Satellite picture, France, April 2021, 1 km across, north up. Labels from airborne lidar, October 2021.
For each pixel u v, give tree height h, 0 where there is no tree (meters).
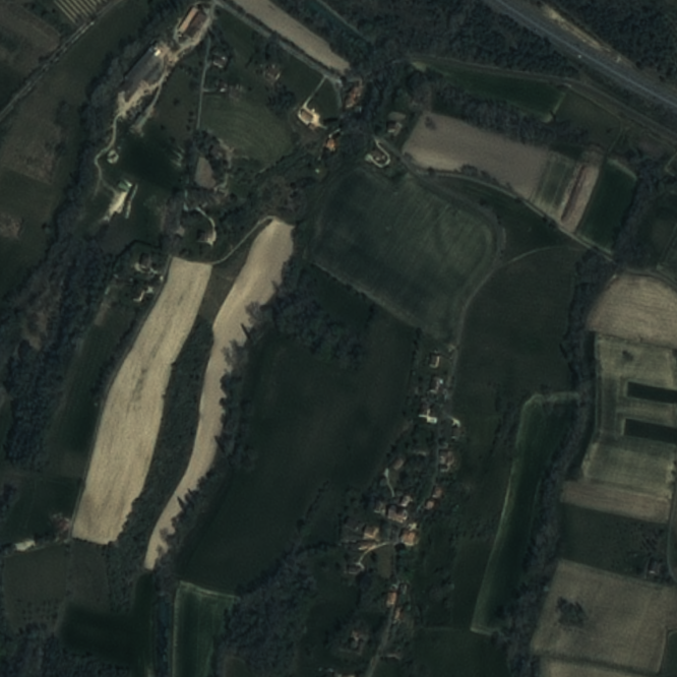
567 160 0
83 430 0
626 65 0
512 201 0
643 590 0
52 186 0
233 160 0
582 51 0
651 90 0
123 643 0
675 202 0
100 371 0
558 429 0
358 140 22
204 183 0
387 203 0
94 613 0
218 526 0
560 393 0
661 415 0
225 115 0
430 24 7
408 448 7
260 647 18
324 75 0
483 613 0
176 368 11
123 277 11
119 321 0
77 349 12
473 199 0
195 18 0
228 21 0
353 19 12
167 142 0
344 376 0
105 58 0
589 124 0
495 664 0
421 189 0
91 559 0
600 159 0
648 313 0
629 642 0
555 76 7
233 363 32
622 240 21
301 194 10
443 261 0
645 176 21
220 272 0
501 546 0
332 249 0
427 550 17
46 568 0
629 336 0
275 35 10
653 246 0
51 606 8
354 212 0
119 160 0
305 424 0
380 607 12
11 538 0
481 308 0
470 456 0
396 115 0
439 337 0
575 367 18
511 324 0
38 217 0
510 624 37
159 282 13
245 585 0
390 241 0
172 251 14
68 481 0
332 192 0
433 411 7
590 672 0
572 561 0
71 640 0
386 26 9
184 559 0
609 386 0
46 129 0
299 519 0
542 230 0
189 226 12
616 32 23
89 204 0
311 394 0
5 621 12
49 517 0
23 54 0
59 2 0
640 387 0
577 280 12
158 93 0
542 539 29
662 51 14
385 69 12
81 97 0
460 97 20
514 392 0
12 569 0
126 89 0
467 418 0
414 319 0
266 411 0
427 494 7
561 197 0
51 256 12
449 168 0
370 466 0
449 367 0
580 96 0
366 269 0
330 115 0
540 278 0
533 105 0
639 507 0
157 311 0
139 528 8
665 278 0
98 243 11
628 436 0
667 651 0
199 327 9
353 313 0
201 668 0
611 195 0
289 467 0
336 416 0
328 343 28
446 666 0
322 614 0
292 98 14
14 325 17
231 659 15
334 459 0
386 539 10
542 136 20
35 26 0
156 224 0
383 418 0
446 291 0
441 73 0
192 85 9
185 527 22
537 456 0
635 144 0
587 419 29
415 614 19
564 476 15
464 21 18
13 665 7
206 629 0
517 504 0
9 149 0
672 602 0
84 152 21
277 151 0
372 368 0
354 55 18
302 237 12
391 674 0
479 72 0
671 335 0
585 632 0
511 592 0
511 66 21
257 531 0
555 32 0
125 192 0
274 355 0
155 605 6
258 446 0
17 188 0
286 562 13
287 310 23
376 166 11
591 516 0
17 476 0
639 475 0
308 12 17
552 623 0
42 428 15
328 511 0
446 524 14
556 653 0
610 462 0
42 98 0
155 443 0
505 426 12
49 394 17
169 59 0
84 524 0
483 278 0
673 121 18
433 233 0
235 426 20
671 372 0
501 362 0
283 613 28
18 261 0
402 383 0
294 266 16
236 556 0
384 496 8
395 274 0
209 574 0
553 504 17
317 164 6
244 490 0
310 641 0
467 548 0
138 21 0
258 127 0
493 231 0
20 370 17
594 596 0
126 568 15
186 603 0
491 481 0
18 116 0
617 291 0
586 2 20
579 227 0
